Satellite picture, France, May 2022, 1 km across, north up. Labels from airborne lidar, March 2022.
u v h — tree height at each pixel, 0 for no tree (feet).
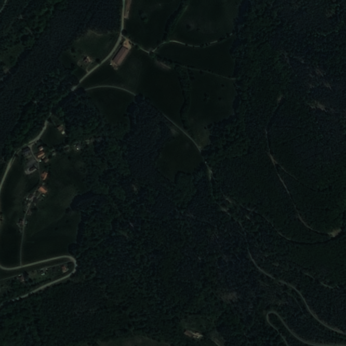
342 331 115
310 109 71
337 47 84
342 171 67
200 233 94
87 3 100
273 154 52
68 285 26
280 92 70
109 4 113
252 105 68
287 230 59
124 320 21
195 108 0
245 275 120
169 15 0
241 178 69
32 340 84
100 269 79
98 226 81
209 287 57
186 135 0
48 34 83
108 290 64
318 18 90
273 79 60
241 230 69
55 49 94
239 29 74
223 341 0
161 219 69
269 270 30
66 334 51
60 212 0
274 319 46
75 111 102
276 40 94
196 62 0
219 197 65
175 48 0
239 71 75
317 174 59
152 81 0
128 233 98
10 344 65
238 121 78
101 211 91
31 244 0
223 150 91
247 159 60
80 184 0
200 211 88
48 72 72
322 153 70
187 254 82
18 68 98
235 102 0
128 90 0
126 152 72
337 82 97
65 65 0
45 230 0
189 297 97
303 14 96
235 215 45
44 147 70
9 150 78
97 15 114
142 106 106
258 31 80
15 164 0
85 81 0
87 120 76
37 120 76
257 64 74
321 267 63
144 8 0
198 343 19
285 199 74
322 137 75
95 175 57
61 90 102
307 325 39
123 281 97
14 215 0
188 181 71
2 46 21
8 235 0
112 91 0
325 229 54
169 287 65
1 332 95
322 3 78
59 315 26
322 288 27
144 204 91
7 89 75
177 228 102
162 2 0
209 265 85
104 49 0
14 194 0
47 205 0
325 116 83
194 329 0
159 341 67
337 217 80
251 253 86
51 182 0
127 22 0
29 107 100
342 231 63
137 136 96
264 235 85
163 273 75
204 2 0
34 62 96
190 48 0
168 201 103
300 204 59
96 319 37
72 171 0
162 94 0
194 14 0
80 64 0
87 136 51
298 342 25
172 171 0
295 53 82
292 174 51
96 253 94
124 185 104
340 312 41
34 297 63
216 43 0
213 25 0
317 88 90
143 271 73
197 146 0
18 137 94
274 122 70
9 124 81
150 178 76
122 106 0
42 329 68
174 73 0
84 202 96
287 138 58
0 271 0
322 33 65
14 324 73
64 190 0
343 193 79
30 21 69
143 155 87
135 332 75
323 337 26
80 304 31
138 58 0
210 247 114
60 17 89
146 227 123
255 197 63
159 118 74
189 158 0
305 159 54
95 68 0
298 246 51
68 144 65
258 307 29
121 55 0
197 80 0
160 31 0
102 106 0
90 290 38
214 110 0
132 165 93
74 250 75
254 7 120
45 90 68
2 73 42
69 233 0
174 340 61
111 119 0
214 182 58
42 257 0
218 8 0
